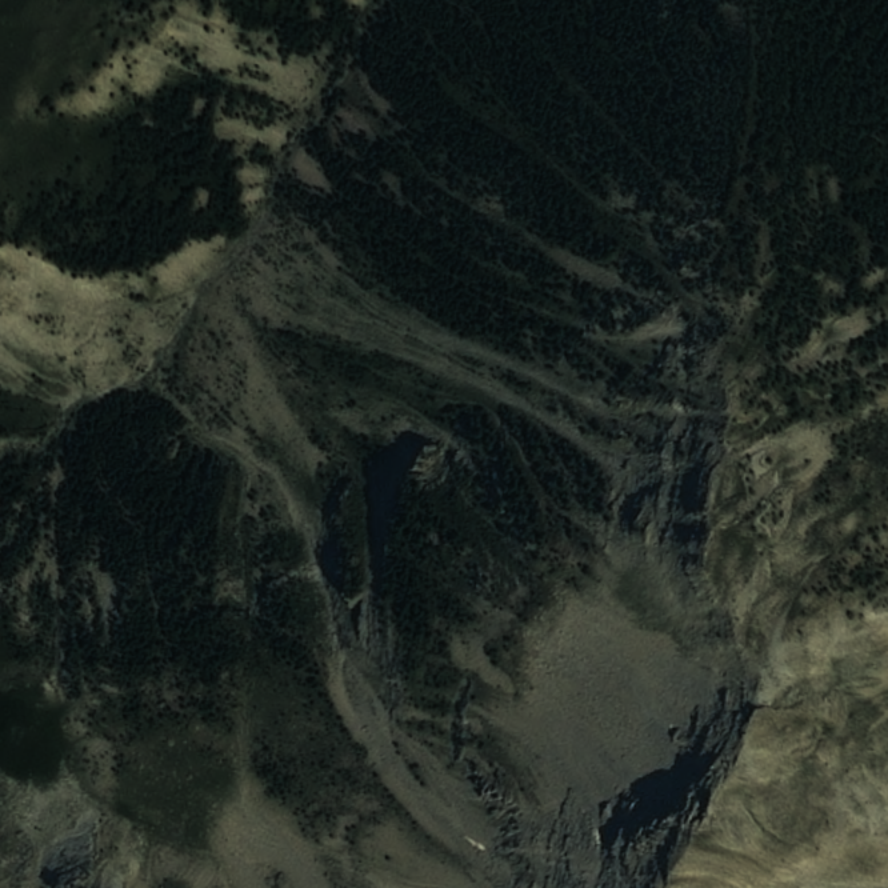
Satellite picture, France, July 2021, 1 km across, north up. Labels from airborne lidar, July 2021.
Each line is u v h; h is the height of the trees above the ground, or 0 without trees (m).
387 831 0
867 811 0
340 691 0
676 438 0
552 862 0
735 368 0
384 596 12
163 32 0
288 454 0
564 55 16
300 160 0
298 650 10
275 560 7
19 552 10
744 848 0
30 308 0
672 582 0
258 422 0
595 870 0
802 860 0
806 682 0
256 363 0
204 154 14
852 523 0
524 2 16
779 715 0
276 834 0
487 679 0
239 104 9
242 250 0
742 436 0
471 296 10
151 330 0
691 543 0
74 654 6
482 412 9
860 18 16
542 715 0
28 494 7
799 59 23
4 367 0
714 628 0
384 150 19
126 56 7
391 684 0
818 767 0
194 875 0
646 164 9
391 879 0
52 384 0
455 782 0
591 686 0
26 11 0
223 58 0
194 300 0
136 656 9
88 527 14
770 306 13
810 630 0
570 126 15
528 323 9
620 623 0
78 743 0
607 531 0
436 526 7
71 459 17
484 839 0
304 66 0
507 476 12
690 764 0
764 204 13
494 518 7
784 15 18
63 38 0
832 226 14
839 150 14
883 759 0
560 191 9
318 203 8
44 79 0
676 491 0
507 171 7
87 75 0
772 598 0
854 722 0
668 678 0
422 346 0
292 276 0
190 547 7
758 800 0
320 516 0
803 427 0
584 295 10
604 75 21
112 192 8
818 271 15
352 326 0
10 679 0
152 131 18
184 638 7
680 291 0
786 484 0
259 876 0
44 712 0
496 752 0
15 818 0
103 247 10
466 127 18
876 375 8
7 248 0
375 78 19
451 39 16
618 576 0
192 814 0
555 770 0
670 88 18
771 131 17
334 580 0
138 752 0
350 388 0
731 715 0
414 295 7
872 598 7
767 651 0
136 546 14
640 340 0
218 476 10
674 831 0
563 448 7
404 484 12
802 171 15
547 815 0
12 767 0
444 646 9
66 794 0
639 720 0
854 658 0
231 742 0
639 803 0
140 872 0
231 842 0
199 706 6
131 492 15
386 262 9
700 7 13
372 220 12
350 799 0
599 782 0
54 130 0
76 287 0
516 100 9
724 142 12
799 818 0
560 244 7
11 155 0
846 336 0
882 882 0
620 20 18
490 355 0
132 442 15
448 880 0
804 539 0
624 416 0
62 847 0
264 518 8
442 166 8
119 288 0
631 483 0
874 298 11
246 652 6
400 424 0
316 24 11
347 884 0
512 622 0
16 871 0
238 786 0
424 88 20
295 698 0
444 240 11
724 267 8
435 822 0
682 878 0
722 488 0
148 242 8
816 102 23
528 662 0
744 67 13
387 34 21
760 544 0
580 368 8
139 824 0
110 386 0
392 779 0
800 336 9
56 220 13
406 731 0
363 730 0
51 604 7
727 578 0
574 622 0
